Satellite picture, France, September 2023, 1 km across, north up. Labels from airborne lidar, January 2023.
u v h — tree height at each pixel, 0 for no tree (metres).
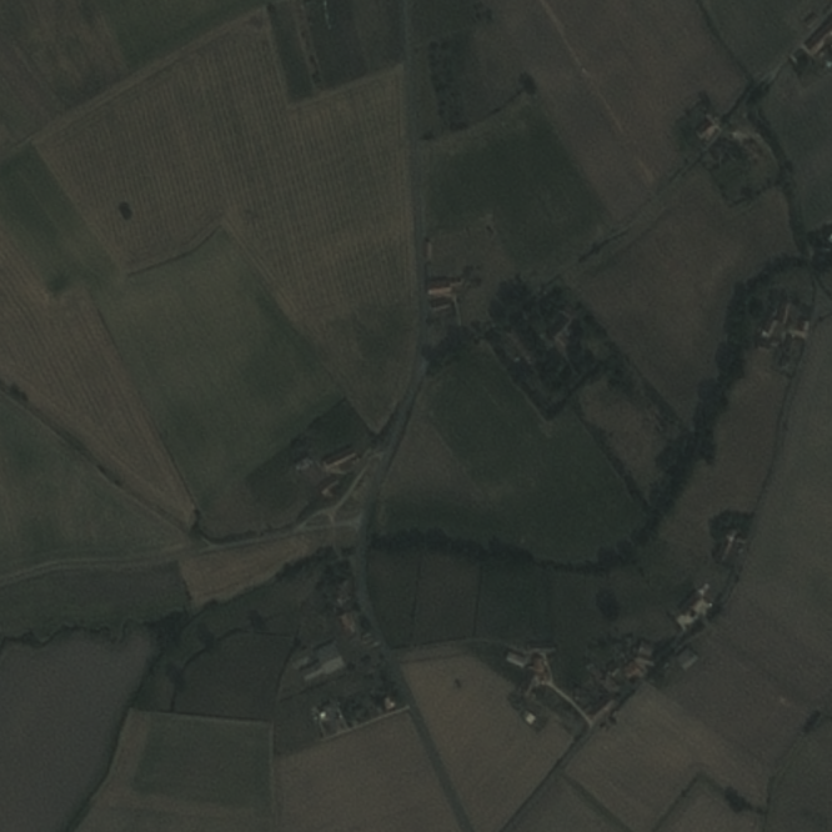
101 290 0
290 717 0
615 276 0
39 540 0
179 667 0
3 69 0
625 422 0
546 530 0
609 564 18
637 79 0
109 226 0
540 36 0
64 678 0
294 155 0
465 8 0
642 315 0
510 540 0
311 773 0
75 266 0
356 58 0
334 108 0
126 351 0
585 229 0
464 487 0
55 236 0
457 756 0
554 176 0
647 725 0
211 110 0
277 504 0
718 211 0
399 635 0
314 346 0
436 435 0
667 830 0
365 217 0
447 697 0
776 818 0
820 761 0
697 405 0
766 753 0
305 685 0
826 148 0
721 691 0
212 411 0
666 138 0
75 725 0
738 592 0
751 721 0
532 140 0
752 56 0
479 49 0
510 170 0
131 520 0
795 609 0
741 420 0
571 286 0
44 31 0
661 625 0
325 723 8
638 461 0
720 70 0
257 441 0
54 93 0
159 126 0
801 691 0
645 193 0
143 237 0
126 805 0
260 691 0
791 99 0
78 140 0
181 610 0
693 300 0
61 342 0
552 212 0
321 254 0
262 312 0
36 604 0
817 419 0
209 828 0
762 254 0
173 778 0
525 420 0
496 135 0
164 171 0
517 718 0
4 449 0
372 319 0
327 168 0
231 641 0
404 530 0
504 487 0
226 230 0
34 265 0
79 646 0
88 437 0
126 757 0
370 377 0
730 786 0
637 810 0
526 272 0
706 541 0
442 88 9
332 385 0
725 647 0
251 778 0
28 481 0
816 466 0
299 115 0
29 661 0
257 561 0
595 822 0
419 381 0
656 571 0
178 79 0
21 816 0
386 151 0
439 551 10
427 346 0
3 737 0
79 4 0
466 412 0
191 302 0
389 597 0
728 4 0
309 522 0
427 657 0
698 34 0
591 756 0
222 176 0
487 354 0
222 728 0
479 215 0
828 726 0
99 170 0
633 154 0
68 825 0
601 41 0
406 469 0
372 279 0
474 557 15
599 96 0
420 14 0
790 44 0
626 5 0
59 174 0
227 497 0
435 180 0
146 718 0
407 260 0
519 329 22
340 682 0
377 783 0
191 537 0
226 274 0
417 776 0
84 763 0
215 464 0
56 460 0
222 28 0
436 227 0
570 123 0
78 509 0
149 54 0
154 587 0
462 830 0
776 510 0
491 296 0
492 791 0
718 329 0
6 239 0
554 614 0
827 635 0
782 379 0
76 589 0
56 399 0
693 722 0
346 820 0
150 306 0
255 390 0
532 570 0
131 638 0
